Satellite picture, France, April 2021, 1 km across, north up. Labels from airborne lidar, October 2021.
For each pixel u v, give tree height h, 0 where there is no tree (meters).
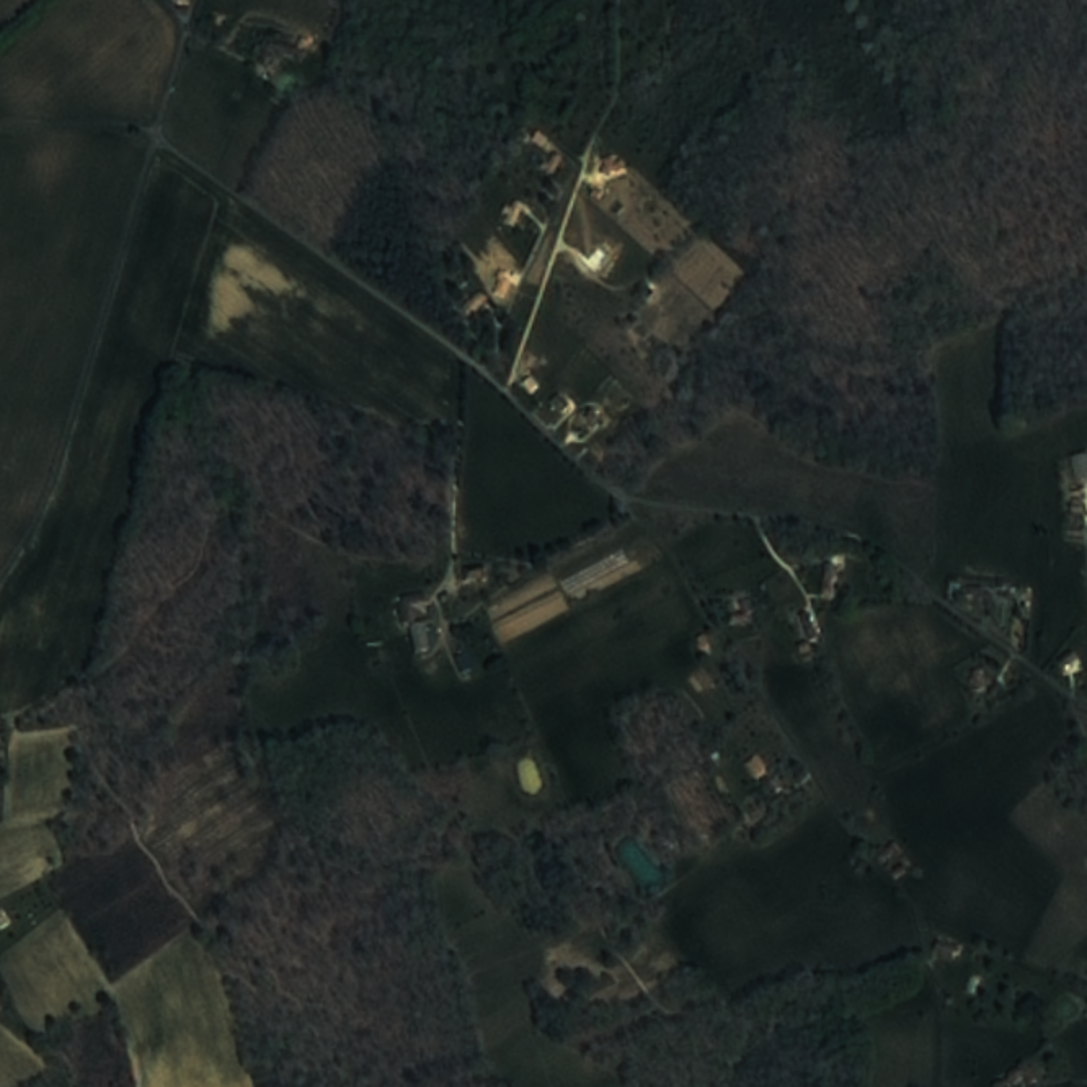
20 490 0
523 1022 0
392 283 20
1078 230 13
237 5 0
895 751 0
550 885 26
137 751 18
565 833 15
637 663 0
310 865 20
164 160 0
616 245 0
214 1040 0
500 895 21
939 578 0
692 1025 20
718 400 18
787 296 18
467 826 15
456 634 12
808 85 17
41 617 0
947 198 21
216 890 17
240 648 17
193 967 0
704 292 0
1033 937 0
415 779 9
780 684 0
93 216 0
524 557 14
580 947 0
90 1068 6
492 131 18
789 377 16
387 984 13
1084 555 0
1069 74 14
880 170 20
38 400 0
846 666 0
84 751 19
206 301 0
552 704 0
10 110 0
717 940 0
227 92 0
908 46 22
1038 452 0
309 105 21
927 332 21
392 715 0
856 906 0
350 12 16
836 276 17
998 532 0
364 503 15
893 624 0
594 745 0
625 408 0
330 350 0
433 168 18
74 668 0
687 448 10
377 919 18
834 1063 21
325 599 0
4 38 13
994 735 0
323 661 0
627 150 0
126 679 15
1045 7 18
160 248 0
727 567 0
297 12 0
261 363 0
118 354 0
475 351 13
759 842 15
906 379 13
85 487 0
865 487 0
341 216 25
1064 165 13
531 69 6
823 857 0
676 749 13
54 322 0
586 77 10
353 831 23
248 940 18
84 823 17
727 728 9
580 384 0
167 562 18
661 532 0
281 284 0
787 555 9
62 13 0
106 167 0
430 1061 14
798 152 14
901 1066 0
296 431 14
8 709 0
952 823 0
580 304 0
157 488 11
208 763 0
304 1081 16
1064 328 23
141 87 0
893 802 0
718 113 8
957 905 0
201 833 0
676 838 16
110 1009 21
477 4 10
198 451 24
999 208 10
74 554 0
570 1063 0
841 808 0
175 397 19
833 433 14
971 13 18
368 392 0
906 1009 0
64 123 0
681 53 12
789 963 0
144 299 0
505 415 0
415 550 19
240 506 13
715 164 14
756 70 6
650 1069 23
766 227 13
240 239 0
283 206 25
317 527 13
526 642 0
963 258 20
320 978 14
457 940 0
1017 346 21
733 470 0
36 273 0
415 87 21
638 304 16
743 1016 21
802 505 0
